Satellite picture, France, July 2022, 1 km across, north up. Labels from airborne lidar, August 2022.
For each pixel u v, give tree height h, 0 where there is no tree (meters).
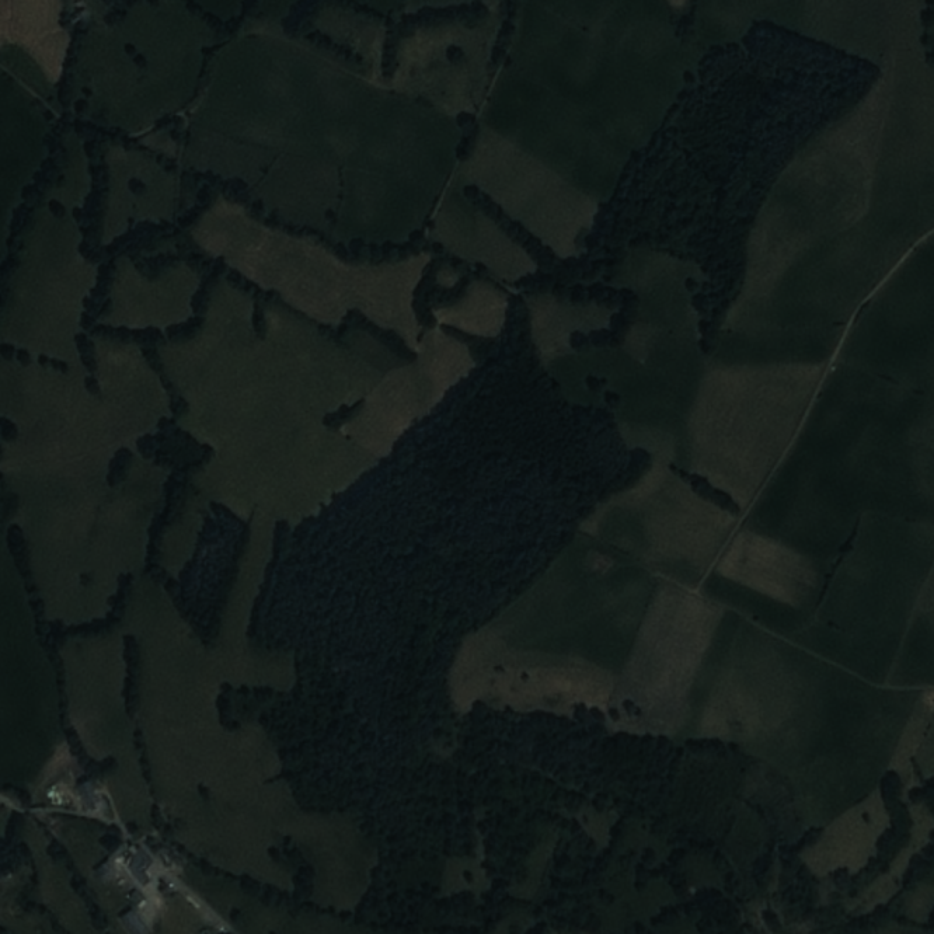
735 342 0
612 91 0
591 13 0
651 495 0
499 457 26
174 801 0
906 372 0
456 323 0
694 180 23
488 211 22
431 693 16
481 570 18
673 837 10
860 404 0
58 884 0
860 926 17
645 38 0
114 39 0
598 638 0
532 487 25
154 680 0
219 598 23
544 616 0
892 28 0
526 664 0
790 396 0
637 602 0
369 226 0
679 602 0
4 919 0
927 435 0
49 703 0
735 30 0
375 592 13
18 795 12
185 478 18
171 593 18
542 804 7
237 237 0
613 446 25
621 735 12
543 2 0
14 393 0
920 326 0
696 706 0
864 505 0
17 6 0
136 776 0
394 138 0
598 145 0
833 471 0
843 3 0
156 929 0
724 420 0
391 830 11
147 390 0
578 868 9
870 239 0
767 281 0
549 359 0
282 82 0
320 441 0
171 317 0
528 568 22
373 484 24
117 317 0
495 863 16
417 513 25
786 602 0
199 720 0
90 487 0
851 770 0
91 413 0
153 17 0
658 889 0
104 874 0
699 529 0
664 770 17
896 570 0
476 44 0
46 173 17
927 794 19
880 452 0
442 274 0
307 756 16
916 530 0
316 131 0
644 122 0
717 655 0
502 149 0
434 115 0
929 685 0
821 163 0
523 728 24
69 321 0
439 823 14
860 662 0
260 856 0
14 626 0
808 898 8
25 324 0
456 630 18
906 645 0
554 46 0
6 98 0
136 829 15
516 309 19
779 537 0
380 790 15
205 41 0
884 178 0
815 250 0
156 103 0
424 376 0
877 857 6
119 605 19
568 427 23
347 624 27
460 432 30
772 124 22
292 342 0
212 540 24
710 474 0
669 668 0
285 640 23
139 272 16
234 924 12
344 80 0
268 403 0
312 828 0
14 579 0
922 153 0
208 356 0
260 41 0
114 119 0
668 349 0
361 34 0
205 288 16
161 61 0
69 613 0
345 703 19
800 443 0
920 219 0
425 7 0
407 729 19
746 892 0
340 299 0
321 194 0
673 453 0
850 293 0
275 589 20
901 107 0
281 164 0
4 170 0
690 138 7
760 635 0
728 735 0
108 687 0
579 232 0
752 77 8
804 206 0
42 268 0
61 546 0
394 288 0
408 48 0
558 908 12
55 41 0
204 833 0
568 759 17
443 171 0
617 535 0
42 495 0
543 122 0
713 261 15
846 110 6
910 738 0
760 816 24
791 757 0
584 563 0
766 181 11
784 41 27
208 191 18
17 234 18
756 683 0
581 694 0
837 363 0
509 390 19
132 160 0
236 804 0
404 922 13
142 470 0
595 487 19
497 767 7
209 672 0
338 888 0
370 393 0
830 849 0
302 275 0
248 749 0
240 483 0
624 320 15
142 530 0
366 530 28
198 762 0
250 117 0
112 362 0
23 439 0
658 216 14
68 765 0
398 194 0
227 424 0
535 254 19
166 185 0
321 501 0
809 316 0
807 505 0
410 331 0
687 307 0
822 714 0
